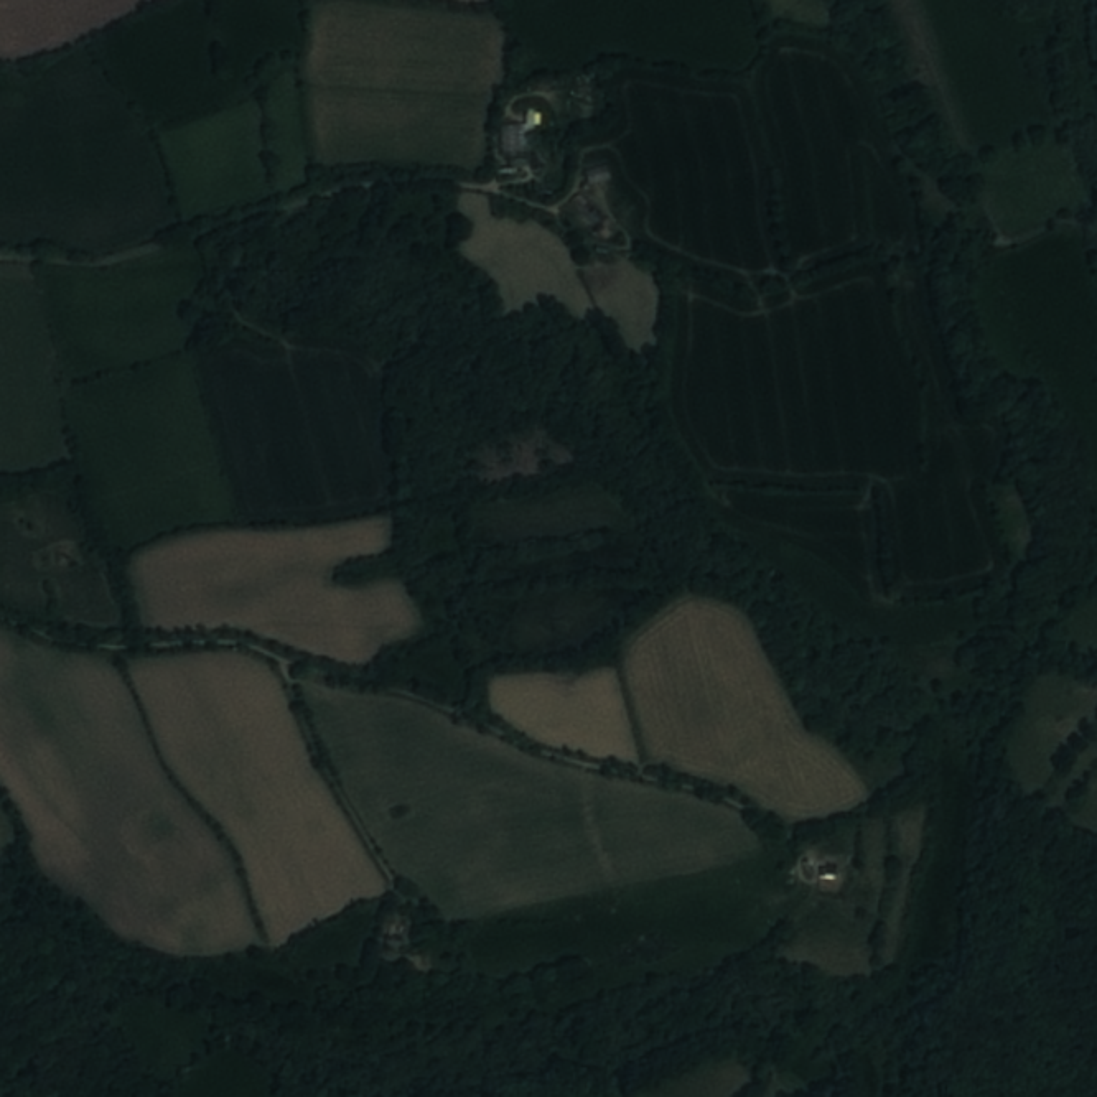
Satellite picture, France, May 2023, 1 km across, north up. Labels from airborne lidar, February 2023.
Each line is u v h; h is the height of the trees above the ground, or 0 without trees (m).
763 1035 10
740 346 0
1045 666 12
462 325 18
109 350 0
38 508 0
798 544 0
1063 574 26
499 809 0
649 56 0
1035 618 22
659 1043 10
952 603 13
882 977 13
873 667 20
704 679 0
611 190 0
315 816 0
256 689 0
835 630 14
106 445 0
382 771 0
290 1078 19
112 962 16
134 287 0
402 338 13
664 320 13
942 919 0
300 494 0
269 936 0
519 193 8
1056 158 0
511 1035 8
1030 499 14
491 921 0
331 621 0
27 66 11
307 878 0
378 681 16
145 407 0
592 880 0
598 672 0
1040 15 6
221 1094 0
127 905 0
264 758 0
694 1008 18
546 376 7
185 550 0
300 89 10
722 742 0
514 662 8
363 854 0
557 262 0
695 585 16
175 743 0
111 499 0
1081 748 15
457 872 0
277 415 0
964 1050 22
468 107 0
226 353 0
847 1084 24
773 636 23
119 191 0
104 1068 21
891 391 0
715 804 12
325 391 0
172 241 14
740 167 0
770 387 0
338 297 17
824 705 21
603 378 7
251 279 11
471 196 0
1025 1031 22
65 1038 20
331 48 0
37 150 0
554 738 0
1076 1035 23
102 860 0
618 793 0
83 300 0
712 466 0
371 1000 16
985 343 15
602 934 0
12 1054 23
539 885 0
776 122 0
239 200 0
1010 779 9
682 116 0
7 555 0
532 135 10
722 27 0
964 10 0
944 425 0
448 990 18
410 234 8
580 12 0
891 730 8
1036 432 20
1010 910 22
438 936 14
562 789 0
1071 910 22
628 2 0
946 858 0
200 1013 7
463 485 7
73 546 0
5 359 0
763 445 0
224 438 0
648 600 16
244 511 0
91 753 0
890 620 0
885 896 7
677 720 0
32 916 23
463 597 14
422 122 0
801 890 0
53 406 0
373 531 0
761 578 19
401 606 0
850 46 16
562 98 0
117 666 9
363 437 0
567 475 16
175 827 0
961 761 0
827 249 0
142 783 0
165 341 0
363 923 0
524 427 8
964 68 0
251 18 0
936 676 0
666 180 0
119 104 0
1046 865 23
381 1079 19
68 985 22
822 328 0
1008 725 13
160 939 0
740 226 0
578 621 0
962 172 22
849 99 0
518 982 16
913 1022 18
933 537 0
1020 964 26
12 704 0
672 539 16
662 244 0
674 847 0
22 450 0
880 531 8
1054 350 0
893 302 11
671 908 0
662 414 17
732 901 0
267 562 0
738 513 0
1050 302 0
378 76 0
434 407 11
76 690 0
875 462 0
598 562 0
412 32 0
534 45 0
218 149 0
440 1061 11
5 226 0
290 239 8
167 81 0
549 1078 21
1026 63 8
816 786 0
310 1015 17
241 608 0
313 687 0
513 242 0
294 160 0
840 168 0
